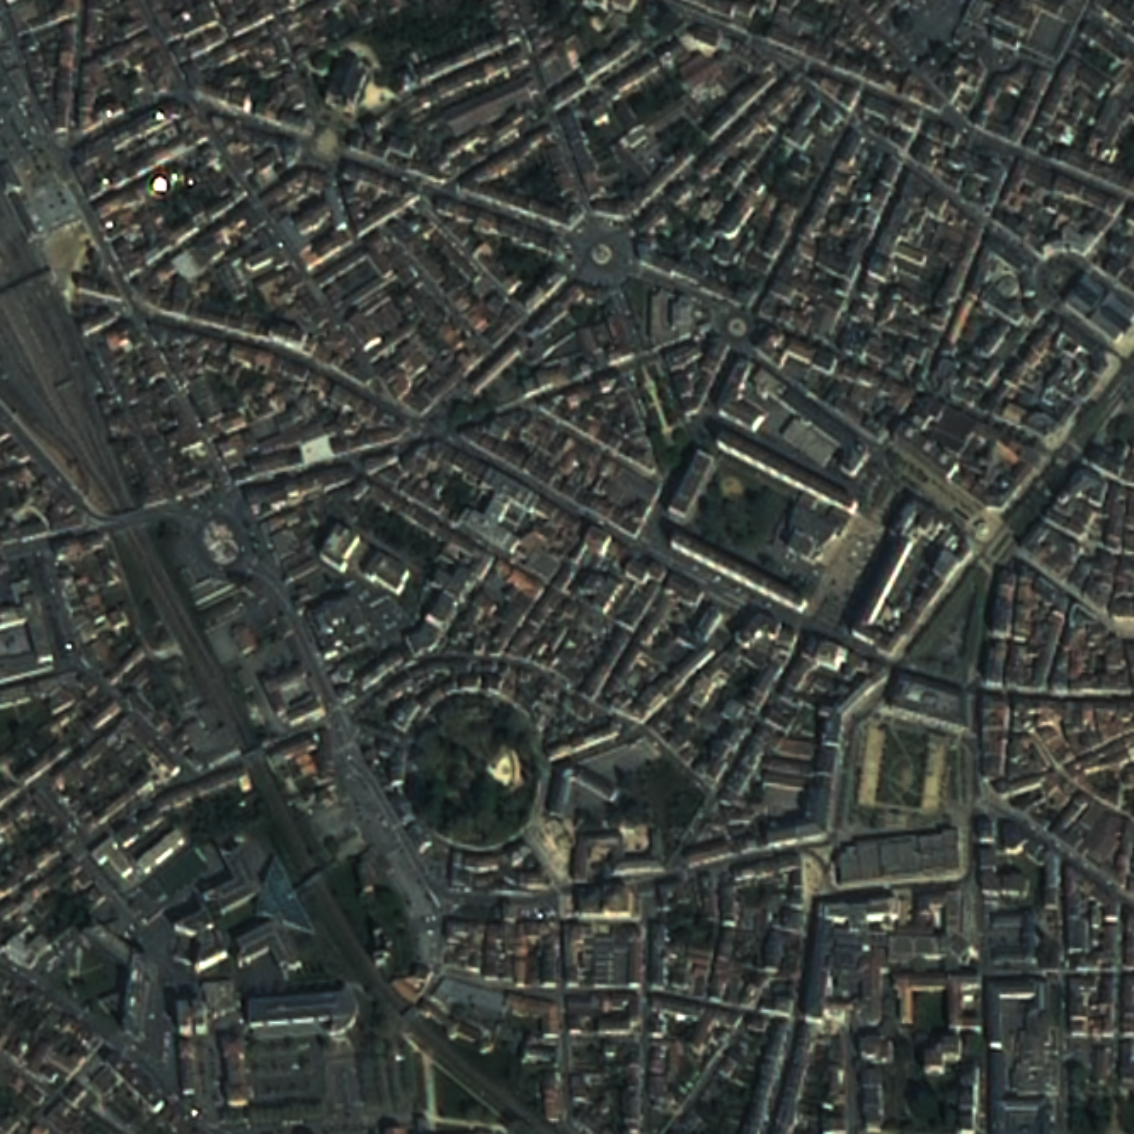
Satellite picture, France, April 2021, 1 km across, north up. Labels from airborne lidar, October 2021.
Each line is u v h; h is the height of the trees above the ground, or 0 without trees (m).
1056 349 0
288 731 0
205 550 0
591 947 0
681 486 0
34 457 0
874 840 0
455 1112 0
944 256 0
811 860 0
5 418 0
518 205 0
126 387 0
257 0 0
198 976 0
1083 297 0
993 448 0
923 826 0
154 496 0
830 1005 0
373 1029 12
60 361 0
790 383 0
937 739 0
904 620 0
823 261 0
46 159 0
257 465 0
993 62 11
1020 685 0
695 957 0
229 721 0
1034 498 11
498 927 0
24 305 0
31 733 7
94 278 8
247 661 0
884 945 0
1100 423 17
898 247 0
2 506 10
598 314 8
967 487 0
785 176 14
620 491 0
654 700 0
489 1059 0
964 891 8
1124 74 0
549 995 0
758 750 0
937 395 8
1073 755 0
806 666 0
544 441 0
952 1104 22
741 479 0
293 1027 0
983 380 0
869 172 7
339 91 0
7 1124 0
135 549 0
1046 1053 0
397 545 11
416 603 9
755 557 0
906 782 0
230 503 0
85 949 0
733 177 0
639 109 17
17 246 0
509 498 0
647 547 0
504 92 0
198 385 0
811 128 6
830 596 7
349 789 0
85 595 0
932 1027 0
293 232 0
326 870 9
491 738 15
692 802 6
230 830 24
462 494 7
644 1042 0
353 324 0
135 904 10
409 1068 20
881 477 12
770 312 0
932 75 0
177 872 0
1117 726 0
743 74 7
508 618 0
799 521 0
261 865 0
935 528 0
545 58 0
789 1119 0
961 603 12
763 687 0
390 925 0
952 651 0
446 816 12
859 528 0
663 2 0
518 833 11
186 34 0
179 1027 0
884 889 0
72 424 0
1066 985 0
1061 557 0
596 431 0
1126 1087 0
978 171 0
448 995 0
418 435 0
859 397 0
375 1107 19
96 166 0
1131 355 0
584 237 0
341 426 0
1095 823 0
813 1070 8
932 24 0
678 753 0
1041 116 0
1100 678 0
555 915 0
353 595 0
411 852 0
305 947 13
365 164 0
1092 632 0
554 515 0
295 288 0
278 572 0
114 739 0
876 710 0
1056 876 0
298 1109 16
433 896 0
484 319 0
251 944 0
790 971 10
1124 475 0
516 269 7
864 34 0
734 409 0
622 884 0
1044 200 0
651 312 0
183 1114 0
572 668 0
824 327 0
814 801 0
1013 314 0
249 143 0
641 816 18
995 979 0
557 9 13
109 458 0
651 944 0
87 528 0
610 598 0
